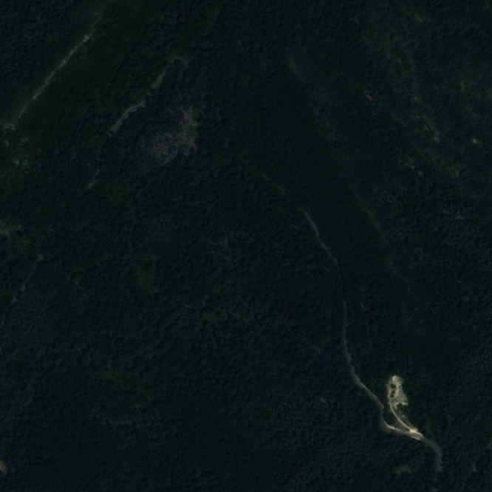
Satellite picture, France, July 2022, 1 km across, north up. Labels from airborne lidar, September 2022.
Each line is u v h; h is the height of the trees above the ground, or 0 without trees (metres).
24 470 17
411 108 12
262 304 28
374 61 12
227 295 22
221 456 24
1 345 31
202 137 24
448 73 9
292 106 24
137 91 24
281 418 20
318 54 13
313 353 25
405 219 13
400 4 14
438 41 15
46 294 28
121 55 22
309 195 20
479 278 15
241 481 33
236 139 24
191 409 35
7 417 24
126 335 17
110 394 29
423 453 14
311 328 34
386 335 21
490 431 12
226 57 21
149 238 27
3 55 22
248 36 24
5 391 21
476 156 11
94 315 13
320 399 13
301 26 9
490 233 10
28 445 30
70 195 31
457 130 12
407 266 9
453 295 19
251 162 21
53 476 31
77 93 24
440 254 19
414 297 13
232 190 27
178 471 24
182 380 27
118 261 12
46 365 23
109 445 31
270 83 20
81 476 29
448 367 18
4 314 6
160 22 18
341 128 16
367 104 17
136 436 31
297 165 16
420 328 10
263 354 27
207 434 27
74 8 19
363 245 18
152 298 23
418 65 14
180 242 15
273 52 18
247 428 25
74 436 28
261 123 17
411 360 19
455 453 21
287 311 34
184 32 32
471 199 9
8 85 22
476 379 13
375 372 13
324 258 28
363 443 33
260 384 23
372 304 15
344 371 20
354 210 19
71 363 30
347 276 21
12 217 34
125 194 31
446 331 8
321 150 20
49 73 6
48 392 28
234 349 30
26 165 24
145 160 25
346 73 16
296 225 30
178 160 16
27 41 21
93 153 24
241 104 19
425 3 21
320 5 23
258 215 28
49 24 17
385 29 11
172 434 34
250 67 15
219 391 31
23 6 6
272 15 20
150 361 21
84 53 15
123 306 21
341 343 26
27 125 16
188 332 25
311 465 25
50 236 38
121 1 10
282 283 21
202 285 23
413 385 7
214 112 22
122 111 12
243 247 35
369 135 16
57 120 24
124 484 16
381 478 32
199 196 22
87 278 23
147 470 27
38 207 33
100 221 26
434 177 20
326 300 22
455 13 19
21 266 32
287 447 20
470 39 16
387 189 9
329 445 24
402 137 16
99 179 20
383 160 12
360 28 15
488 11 9
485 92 9
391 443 18
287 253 17
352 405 21
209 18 30
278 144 20
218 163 31
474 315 15
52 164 15
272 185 18
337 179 22
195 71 24
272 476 13
